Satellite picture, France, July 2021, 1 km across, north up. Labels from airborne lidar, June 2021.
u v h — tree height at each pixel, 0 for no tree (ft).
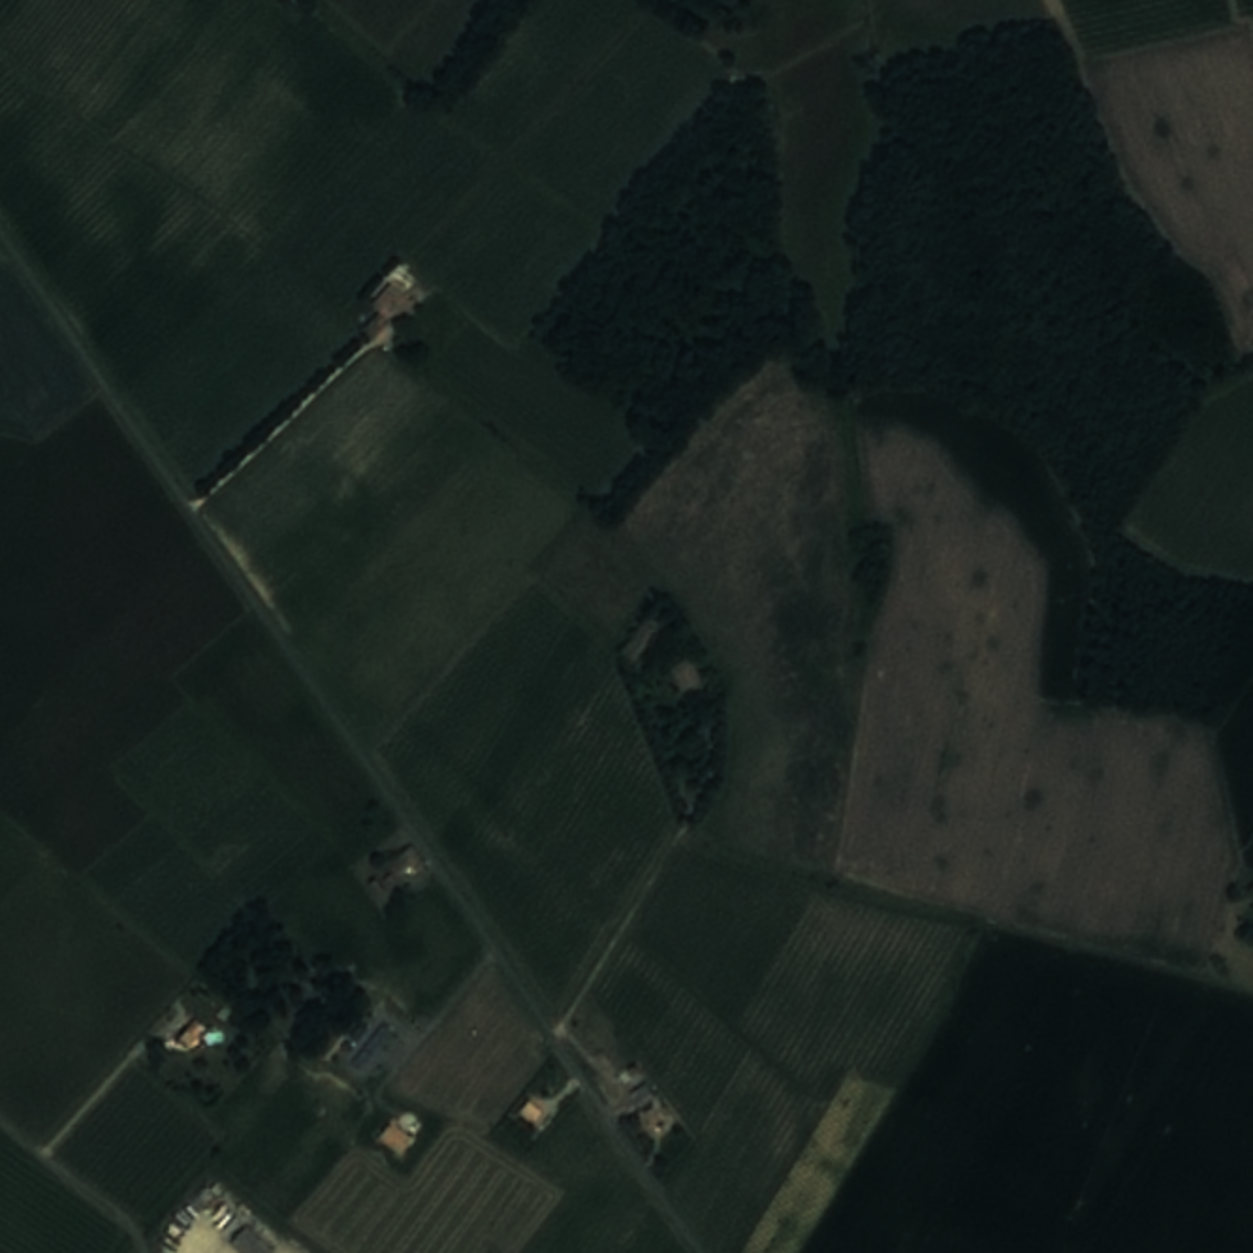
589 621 0
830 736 0
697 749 43
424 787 0
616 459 0
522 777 0
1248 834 0
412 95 64
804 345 63
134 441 0
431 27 0
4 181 0
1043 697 0
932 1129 0
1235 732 0
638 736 0
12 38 0
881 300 72
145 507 0
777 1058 0
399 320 29
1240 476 0
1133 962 0
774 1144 0
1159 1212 0
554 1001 0
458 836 0
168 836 0
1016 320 78
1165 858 0
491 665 0
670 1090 0
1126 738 0
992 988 0
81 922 0
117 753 0
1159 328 37
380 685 0
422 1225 0
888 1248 0
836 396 41
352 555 0
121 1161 0
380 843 0
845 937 0
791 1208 0
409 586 0
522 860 0
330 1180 0
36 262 0
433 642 0
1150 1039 0
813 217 0
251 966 50
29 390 0
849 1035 0
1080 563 0
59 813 0
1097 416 68
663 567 0
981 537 0
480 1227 0
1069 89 78
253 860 0
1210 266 0
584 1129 0
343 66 0
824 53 0
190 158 0
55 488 0
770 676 0
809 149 0
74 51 0
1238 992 0
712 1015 0
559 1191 0
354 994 53
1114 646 65
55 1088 0
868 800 0
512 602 0
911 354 64
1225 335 19
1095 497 49
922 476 0
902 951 0
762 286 81
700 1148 0
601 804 0
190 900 0
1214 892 0
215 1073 0
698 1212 0
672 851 0
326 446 0
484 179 0
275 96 0
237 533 0
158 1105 0
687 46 0
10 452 0
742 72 0
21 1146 0
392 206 0
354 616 0
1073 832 0
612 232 57
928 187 72
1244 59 0
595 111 0
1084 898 0
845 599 0
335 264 0
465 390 0
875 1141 0
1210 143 0
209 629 0
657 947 0
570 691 0
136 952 0
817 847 0
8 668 0
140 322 0
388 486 0
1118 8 0
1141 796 0
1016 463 0
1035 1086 0
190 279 0
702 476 0
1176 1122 0
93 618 0
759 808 0
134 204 0
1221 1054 0
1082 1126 0
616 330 55
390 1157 0
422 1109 0
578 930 0
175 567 0
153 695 0
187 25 0
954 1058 0
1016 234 84
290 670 0
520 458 0
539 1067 0
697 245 82
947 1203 0
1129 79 0
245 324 0
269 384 0
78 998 0
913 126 78
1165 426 57
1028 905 0
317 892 0
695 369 73
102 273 0
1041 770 0
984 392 74
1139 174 0
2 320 0
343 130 0
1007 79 84
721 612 0
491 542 0
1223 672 56
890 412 0
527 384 0
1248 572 0
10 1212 0
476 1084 0
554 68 0
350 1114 0
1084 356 64
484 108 0
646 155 0
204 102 0
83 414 0
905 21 0
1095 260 85
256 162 0
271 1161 0
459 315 0
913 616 0
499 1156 0
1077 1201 0
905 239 75
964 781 0
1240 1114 0
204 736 0
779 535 0
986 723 0
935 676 0
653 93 0
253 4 0
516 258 0
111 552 0
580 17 0
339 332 0
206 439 0
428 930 0
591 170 0
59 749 0
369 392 0
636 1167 0
